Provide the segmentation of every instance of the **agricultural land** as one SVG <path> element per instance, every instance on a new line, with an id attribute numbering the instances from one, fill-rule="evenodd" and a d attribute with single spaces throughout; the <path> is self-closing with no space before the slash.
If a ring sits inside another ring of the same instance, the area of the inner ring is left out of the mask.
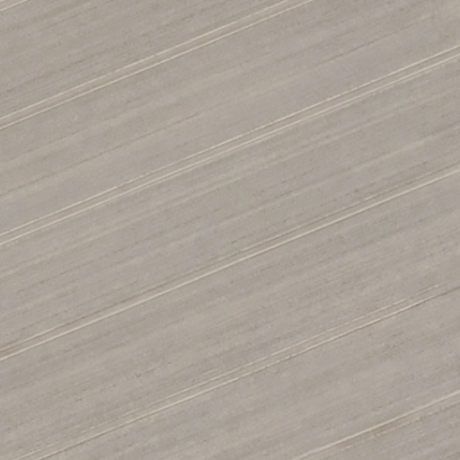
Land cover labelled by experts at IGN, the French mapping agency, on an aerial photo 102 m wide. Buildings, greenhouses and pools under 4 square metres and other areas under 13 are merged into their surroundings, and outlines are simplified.
<path id="1" fill-rule="evenodd" d="M 0 0 L 0 460 L 460 460 L 460 0 Z"/>

